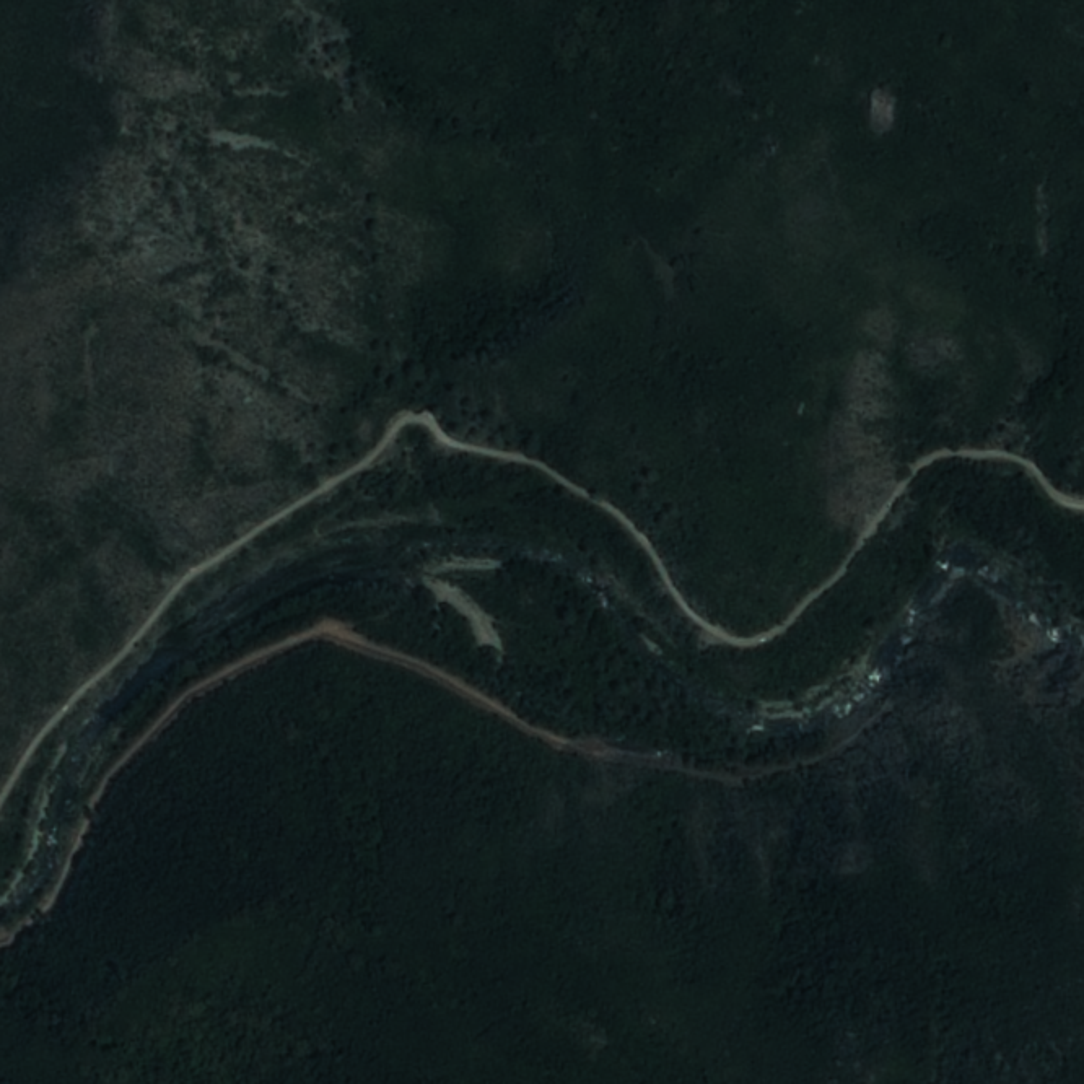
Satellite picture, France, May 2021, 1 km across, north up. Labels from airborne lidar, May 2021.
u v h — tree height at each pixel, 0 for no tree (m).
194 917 9
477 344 16
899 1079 5
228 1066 13
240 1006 14
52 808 7
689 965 7
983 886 7
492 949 6
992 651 7
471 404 16
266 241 0
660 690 24
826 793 8
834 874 6
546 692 12
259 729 8
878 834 9
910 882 6
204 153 8
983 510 11
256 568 0
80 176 0
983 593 6
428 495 9
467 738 9
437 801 8
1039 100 6
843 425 0
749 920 7
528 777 11
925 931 8
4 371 0
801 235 0
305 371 0
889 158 5
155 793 9
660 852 6
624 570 7
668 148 6
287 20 9
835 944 12
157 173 8
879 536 9
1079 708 8
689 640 9
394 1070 10
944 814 8
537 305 16
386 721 7
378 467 6
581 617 12
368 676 9
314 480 7
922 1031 12
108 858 10
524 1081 7
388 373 20
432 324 13
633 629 7
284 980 6
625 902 7
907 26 6
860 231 0
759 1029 8
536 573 19
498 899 10
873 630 23
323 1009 6
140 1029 9
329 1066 12
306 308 8
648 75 6
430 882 6
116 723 21
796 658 11
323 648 10
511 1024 6
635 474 6
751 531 10
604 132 6
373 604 16
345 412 15
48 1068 6
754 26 7
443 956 5
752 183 0
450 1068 8
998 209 6
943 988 10
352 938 6
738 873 8
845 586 9
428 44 6
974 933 6
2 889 6
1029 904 8
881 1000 5
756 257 0
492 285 6
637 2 7
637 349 5
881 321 0
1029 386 11
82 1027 16
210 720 8
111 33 0
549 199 6
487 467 9
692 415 5
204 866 10
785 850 8
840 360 0
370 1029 6
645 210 7
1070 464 15
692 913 7
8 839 6
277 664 6
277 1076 8
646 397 6
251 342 0
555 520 7
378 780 6
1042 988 7
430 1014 6
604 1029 6
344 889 6
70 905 9
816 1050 8
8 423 0
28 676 7
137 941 6
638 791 7
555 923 6
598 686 7
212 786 7
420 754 7
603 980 6
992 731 6
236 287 6
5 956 11
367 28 6
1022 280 11
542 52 7
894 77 5
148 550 6
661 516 14
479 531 6
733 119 5
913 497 12
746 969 6
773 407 10
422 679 6
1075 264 6
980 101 7
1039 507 10
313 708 11
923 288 0
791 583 6
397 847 7
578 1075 6
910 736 8
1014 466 6
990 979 6
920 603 0
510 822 8
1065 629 18
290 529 6
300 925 10
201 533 0
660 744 13
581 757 8
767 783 6
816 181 0
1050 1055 7
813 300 0
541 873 8
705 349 5
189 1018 12
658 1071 7
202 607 0
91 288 0
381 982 7
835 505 0
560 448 11
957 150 13
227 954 7
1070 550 8
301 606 8
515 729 9
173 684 18
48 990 9
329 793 11
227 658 9
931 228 6
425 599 21
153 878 9
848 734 0
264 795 7
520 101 7
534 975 7
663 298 6
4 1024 8
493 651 18
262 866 8
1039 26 6
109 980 8
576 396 10
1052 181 6
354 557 5
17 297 0
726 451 8
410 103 15
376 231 17
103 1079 11
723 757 8
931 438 11
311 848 10
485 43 5
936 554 21
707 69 8
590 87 6
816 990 8
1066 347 12
